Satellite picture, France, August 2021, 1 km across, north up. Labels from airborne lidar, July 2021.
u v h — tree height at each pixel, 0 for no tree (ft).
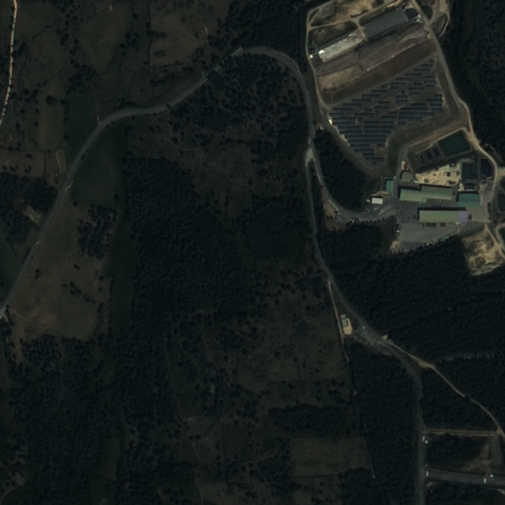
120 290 0
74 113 0
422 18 0
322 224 64
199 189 0
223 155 0
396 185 0
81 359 38
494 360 63
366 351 67
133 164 54
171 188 29
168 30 0
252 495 31
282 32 56
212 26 0
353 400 58
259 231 62
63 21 0
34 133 0
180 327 29
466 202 0
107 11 0
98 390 41
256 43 48
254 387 0
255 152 50
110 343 41
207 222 51
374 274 25
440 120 0
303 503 0
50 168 0
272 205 56
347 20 0
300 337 0
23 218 45
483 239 0
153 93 0
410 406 70
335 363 0
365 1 0
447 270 74
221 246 60
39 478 27
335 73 0
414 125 0
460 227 0
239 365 0
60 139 0
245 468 31
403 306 77
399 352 0
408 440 70
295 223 26
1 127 0
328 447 0
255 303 55
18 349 0
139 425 28
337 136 0
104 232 55
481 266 0
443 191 0
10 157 0
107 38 0
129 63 0
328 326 0
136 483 35
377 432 94
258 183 0
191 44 0
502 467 0
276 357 26
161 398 36
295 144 56
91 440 36
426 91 0
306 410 57
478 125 45
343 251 66
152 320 43
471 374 78
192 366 21
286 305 0
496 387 74
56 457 27
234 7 62
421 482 0
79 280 0
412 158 0
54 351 41
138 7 0
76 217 0
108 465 0
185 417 0
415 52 0
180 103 0
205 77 0
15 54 44
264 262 43
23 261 0
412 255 23
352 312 0
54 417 36
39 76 0
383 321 73
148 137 0
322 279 30
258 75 39
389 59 0
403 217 0
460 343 79
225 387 35
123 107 28
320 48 0
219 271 61
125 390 47
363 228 60
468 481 0
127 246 0
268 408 0
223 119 53
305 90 0
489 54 41
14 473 40
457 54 39
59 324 0
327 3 0
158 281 43
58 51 0
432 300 74
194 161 0
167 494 25
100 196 0
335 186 63
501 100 35
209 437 0
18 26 0
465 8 41
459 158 0
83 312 0
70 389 22
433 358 72
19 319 0
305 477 0
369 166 0
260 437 0
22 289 0
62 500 41
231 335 52
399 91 0
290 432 52
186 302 43
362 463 0
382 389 83
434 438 0
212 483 0
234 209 0
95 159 0
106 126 22
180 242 32
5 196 37
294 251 49
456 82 19
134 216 51
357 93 0
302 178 0
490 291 20
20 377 18
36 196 20
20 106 0
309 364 0
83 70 51
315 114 0
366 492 54
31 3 0
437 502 67
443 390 67
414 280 81
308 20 0
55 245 0
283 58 0
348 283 59
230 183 0
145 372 47
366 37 0
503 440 0
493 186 0
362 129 0
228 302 48
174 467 56
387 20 0
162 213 58
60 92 0
